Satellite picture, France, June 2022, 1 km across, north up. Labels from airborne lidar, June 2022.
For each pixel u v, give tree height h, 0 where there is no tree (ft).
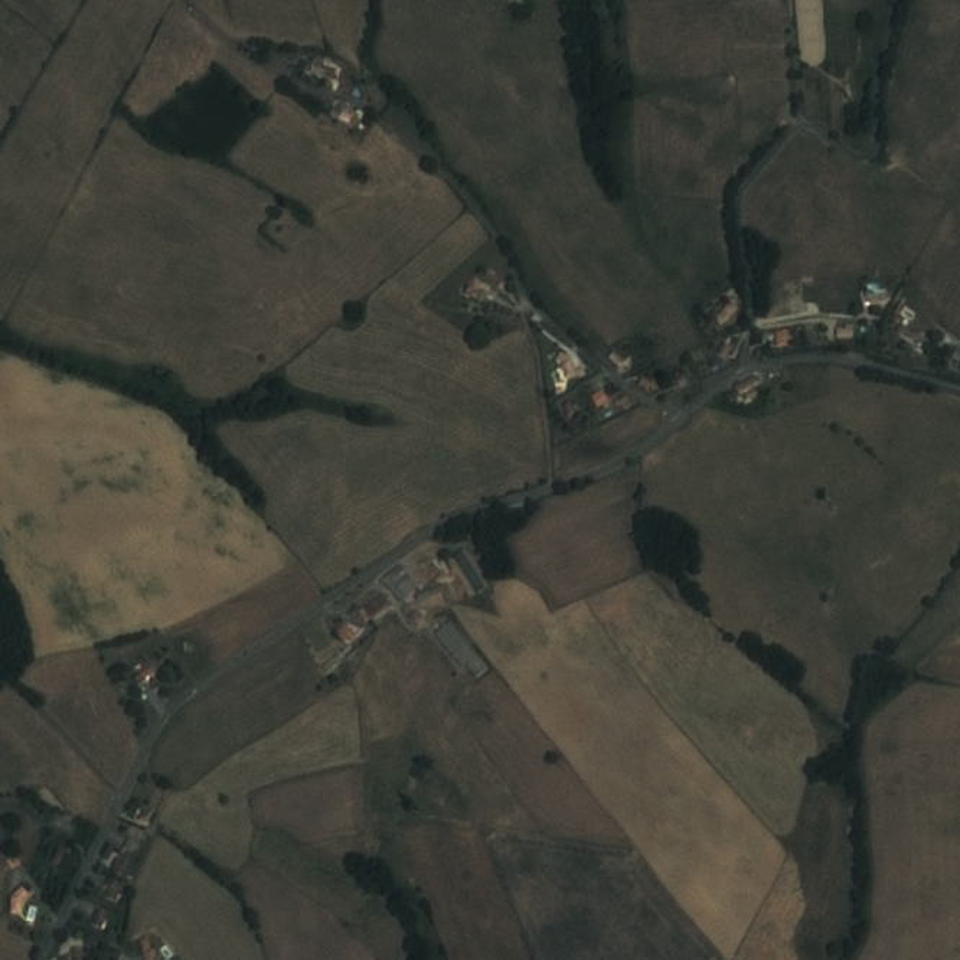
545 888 0
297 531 0
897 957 0
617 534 0
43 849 24
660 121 0
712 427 0
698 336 0
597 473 0
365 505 0
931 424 0
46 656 0
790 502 0
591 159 46
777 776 0
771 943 0
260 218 0
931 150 0
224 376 0
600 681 0
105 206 0
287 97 33
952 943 0
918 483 0
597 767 0
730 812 0
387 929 0
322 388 0
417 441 0
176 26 0
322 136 0
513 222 0
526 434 0
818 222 0
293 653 0
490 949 0
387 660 0
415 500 0
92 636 0
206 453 60
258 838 0
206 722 0
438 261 0
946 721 0
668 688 0
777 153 0
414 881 0
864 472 0
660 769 0
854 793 46
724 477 0
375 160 0
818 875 0
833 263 0
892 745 0
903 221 0
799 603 0
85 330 0
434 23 0
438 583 0
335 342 0
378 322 0
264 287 0
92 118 0
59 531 0
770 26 0
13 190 0
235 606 0
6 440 0
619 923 0
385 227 0
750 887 0
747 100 0
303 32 0
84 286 0
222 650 0
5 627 53
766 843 0
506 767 0
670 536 78
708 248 0
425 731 0
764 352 28
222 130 0
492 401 0
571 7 53
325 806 0
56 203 0
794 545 0
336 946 0
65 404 0
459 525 44
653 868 0
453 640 0
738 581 0
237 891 44
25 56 0
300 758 0
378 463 0
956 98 0
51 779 0
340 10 0
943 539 0
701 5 0
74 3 0
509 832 0
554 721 0
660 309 0
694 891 0
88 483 0
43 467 0
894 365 32
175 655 0
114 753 0
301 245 0
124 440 0
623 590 0
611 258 0
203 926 0
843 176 0
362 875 49
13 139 0
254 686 0
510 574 42
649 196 0
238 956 0
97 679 0
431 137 46
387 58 0
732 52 0
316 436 0
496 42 0
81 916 24
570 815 0
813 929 0
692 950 0
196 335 0
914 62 0
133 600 0
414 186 0
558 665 0
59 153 0
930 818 0
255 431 0
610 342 0
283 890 0
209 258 0
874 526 0
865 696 96
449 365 0
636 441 0
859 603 0
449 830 0
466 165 0
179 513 0
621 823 0
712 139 0
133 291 0
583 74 66
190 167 0
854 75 0
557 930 0
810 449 0
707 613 33
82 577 0
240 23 0
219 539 0
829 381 0
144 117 0
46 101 0
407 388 0
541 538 0
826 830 0
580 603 0
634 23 0
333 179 0
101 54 0
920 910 0
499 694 0
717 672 0
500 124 0
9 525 0
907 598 0
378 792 0
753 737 0
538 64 0
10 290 0
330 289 0
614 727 0
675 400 0
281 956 0
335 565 0
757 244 51
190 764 0
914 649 0
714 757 0
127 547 0
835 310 0
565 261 0
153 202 0
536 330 32
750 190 0
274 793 0
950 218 0
